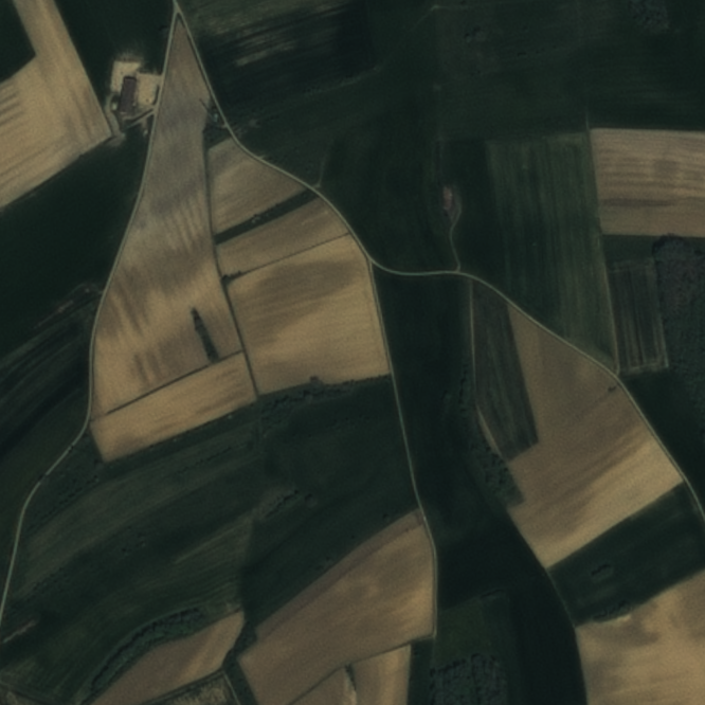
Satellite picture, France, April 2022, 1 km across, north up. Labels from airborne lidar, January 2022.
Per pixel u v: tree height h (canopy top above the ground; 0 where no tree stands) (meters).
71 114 0
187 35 0
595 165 0
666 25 16
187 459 0
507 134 0
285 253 0
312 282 0
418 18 0
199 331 10
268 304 0
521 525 0
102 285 0
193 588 0
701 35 0
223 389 0
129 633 0
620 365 0
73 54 0
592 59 0
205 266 0
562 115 0
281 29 0
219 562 0
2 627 0
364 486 0
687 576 0
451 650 0
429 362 0
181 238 0
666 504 0
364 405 0
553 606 0
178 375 0
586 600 0
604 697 0
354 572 0
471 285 0
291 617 0
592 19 0
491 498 0
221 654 0
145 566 0
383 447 0
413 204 0
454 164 0
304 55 0
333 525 0
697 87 0
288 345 0
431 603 0
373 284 0
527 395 0
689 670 0
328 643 0
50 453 0
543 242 0
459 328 0
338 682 0
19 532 0
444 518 0
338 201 0
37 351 0
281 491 0
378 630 0
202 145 0
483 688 12
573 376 0
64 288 0
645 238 0
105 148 0
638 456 0
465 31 0
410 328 0
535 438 0
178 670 0
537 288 0
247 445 0
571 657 0
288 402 7
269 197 0
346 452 0
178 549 0
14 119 0
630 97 0
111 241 0
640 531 0
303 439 0
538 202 0
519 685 0
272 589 0
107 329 0
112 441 0
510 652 0
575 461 0
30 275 0
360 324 0
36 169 0
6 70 0
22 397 0
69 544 0
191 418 0
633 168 0
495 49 0
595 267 0
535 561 0
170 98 0
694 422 0
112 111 0
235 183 0
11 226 0
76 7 0
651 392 0
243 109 0
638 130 0
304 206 0
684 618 0
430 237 0
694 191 0
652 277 0
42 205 0
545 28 0
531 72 0
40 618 0
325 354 0
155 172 0
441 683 15
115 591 0
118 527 0
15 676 0
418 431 0
